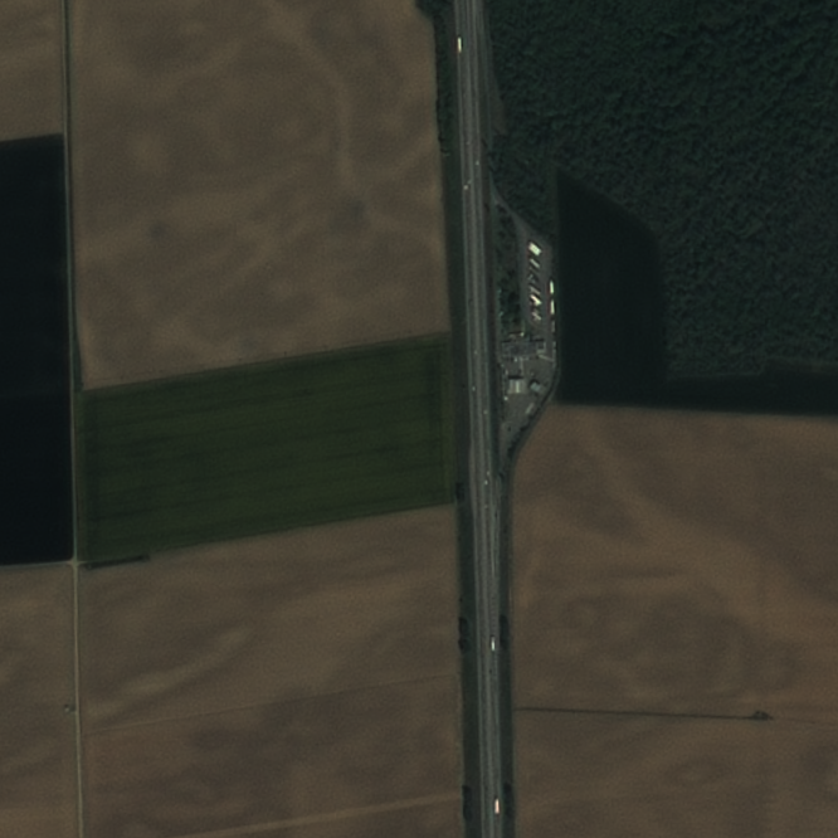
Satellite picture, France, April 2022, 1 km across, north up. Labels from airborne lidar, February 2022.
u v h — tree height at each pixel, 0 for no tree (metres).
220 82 0
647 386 0
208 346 0
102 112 0
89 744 0
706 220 14
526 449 0
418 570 0
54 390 0
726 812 0
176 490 0
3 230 0
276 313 0
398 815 0
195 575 0
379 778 0
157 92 0
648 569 0
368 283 0
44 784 0
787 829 0
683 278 13
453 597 0
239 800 0
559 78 9
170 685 0
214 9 0
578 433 0
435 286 0
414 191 0
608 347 0
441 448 0
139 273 0
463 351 0
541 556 0
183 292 0
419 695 0
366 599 0
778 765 0
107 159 0
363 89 0
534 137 11
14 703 0
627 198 7
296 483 0
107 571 0
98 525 0
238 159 0
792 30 19
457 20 0
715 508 0
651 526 0
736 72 20
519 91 8
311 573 0
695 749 0
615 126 14
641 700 0
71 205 0
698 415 0
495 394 0
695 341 13
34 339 0
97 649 0
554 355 0
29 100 0
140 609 0
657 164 13
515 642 0
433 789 0
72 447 0
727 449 0
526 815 0
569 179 0
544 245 0
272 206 0
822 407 0
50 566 0
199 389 0
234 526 0
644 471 0
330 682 0
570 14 8
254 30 0
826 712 0
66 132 0
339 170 0
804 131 10
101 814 0
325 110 0
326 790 0
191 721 0
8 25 0
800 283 6
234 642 0
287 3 0
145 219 0
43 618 0
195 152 0
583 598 0
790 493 0
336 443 0
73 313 0
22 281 0
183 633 0
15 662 0
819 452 0
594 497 0
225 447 0
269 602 0
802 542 0
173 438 0
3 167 0
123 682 0
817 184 13
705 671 0
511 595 0
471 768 0
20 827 0
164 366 0
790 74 19
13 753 0
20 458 0
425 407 0
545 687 0
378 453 0
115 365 0
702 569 0
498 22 8
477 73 0
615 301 0
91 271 0
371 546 0
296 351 0
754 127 10
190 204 0
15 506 0
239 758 0
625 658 0
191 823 0
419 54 0
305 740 0
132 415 0
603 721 0
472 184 0
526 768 0
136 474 0
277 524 0
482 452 0
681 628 0
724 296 16
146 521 0
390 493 0
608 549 0
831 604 0
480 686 0
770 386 0
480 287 0
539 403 0
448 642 0
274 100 0
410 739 0
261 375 0
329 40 0
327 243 0
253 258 0
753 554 0
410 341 0
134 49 0
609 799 0
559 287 0
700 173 13
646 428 0
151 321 0
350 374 0
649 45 15
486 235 0
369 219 0
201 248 0
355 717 0
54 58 0
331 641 0
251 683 0
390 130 0
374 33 0
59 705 0
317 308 0
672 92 19
